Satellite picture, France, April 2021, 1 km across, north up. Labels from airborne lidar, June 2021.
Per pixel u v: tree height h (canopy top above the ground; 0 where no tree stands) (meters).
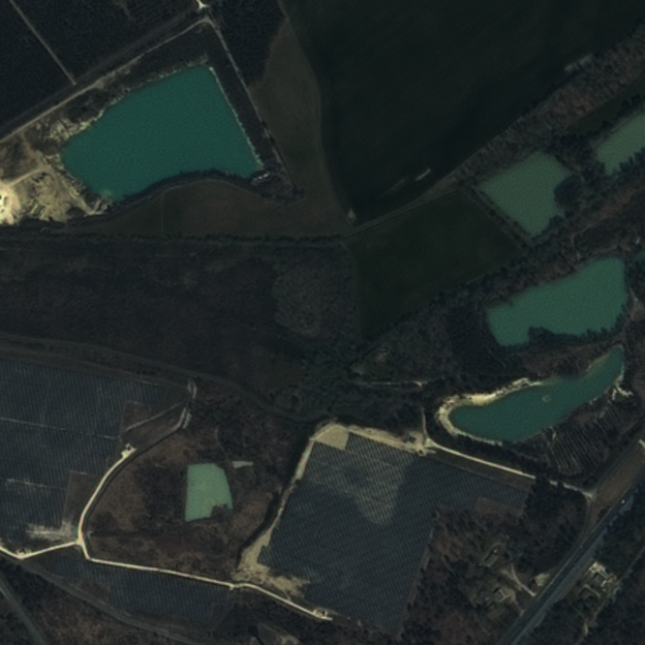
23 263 0
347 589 0
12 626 15
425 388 7
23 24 10
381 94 0
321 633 7
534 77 0
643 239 14
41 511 0
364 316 0
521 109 0
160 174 0
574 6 0
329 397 12
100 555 0
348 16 0
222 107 0
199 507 0
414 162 0
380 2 0
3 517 0
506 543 8
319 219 0
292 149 0
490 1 0
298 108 0
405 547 0
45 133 0
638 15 0
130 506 0
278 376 0
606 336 12
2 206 0
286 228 0
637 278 11
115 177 0
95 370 0
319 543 0
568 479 10
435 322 15
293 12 0
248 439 6
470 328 14
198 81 0
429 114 0
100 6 12
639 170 24
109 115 0
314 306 12
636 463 0
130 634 7
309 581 0
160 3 13
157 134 0
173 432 0
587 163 13
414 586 0
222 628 0
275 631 0
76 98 0
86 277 0
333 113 0
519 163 8
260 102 0
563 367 6
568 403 0
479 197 10
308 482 0
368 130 0
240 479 0
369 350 12
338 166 0
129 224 0
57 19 13
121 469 0
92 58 13
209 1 13
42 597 9
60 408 0
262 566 0
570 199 20
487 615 9
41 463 0
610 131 10
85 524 0
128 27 12
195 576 0
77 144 0
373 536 0
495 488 0
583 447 8
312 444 0
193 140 0
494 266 0
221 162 0
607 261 0
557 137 13
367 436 0
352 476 0
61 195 0
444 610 10
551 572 0
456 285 0
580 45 0
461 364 10
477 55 0
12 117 11
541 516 15
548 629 7
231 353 6
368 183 0
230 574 0
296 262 7
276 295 9
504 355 15
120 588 0
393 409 11
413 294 0
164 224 0
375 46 0
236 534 0
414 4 0
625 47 6
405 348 15
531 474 13
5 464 0
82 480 0
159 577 0
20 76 11
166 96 0
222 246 8
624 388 6
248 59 13
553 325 0
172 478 6
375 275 0
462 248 0
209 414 6
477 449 7
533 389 0
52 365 0
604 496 0
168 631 0
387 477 0
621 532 20
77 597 0
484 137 0
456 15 0
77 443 0
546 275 11
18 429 0
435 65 0
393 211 0
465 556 10
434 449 0
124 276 0
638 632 14
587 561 0
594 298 0
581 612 10
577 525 11
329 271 6
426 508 0
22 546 0
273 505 0
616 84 13
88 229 0
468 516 14
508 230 13
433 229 0
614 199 18
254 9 12
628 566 12
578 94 18
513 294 16
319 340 6
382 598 0
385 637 6
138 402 0
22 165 0
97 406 0
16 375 0
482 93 0
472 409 0
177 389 0
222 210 0
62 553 0
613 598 0
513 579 0
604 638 13
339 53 0
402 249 0
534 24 0
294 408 7
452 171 0
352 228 0
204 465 0
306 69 0
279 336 6
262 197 8
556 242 17
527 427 0
